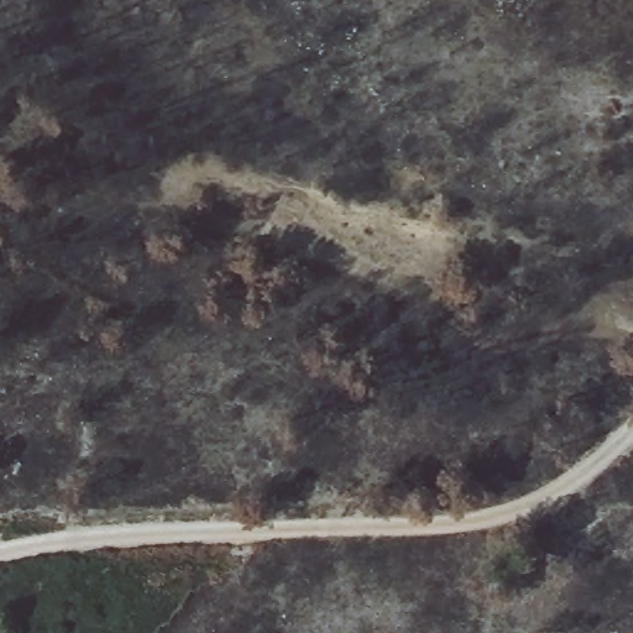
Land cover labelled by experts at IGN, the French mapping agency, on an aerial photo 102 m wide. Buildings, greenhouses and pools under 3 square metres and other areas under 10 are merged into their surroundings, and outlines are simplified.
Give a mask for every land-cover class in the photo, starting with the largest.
<instances>
[{"label":"bare soil","instance_id":"1","mask_svg":"<svg viewBox=\"0 0 633 633\"><path fill-rule=\"evenodd\" d=\"M12 91L17 99L27 96L30 104L47 111V116L37 121L45 131L42 136H35L30 143L15 151L10 146H0V151L2 161H7L10 166L12 183L25 195L22 210H15L0 200V522L25 517L27 512L30 519H57V532L77 527L143 522H237V504H245V499L250 497H267L277 517H376L371 509V487L378 482H383L386 495L391 492L393 497L403 499V509L396 517H408L413 522L425 524L430 519L423 514L420 502L425 497L440 495V472L460 480V492L475 509L495 507L539 490L542 485L564 475L586 452L598 448L616 428L633 425V376H618L613 371L606 339H613L618 331L633 334V0H0V96ZM242 193H277L279 198L272 215L265 220V235H260L252 245V267L279 270L282 284L274 287L272 297L282 309L270 324H260L255 329L245 324L218 329L210 326L198 314V309H193L195 294L185 287V282H181L176 274L158 272L151 267L146 242L151 237H181L178 252L183 257H203L218 247L225 250L227 240L235 237V227L242 223V200L237 198ZM448 250H465L470 257H477L480 262L485 309L477 314L475 321H462L452 314L448 302H435L430 297V287L423 282L435 270H443ZM96 314H101L109 321L119 319L124 326L119 346L111 351L104 349V344L94 346L79 339V326L96 319ZM324 326H329L336 339L334 359L346 361L351 354L366 351L371 356V366H383L386 391L381 396H351L341 386H336L331 376L309 373L307 363L297 354V344L312 339ZM69 470H84L89 477L79 492L82 512L77 514L59 509L54 504L59 499L57 480L64 477ZM517 527V542L522 544L532 571H514L512 576H507L499 584V596H492L485 588H477L475 584V569L485 564L482 529L430 537L267 539L255 542L250 556H232L230 542L166 544L176 556H193L203 561L208 569L210 586L190 591L183 601V608L163 628H158V633H633V448L628 455L618 457L611 467L596 475L584 490L569 497H559L551 504H539L527 517L512 522Z\"/></svg>","mask_w":633,"mask_h":633},{"label":"coniferous trees","instance_id":"2","mask_svg":"<svg viewBox=\"0 0 633 633\"><path fill-rule=\"evenodd\" d=\"M47 116V111L30 104L27 96L17 99L12 91L0 96V146H10L15 151L30 143L35 136H42L45 131L37 121ZM0 200L15 210H22L25 195L12 183L10 166L7 161H2L0 151ZM237 198L242 200V223L235 227V237L227 240L225 250L218 247L203 257H183L178 252L181 237H151L146 242L151 267L158 272L176 274L181 282H185V287L195 294L193 309H198V314L210 326L218 329L245 324L255 329L260 324H270L282 309L272 297L274 287L282 284L279 270L252 267V245L260 235H265V220L272 215L279 198L277 193H242ZM423 282L430 287V297L435 302H448L452 314L462 321H475L477 314L485 309L480 262L477 257H470L465 250H448L443 270H435ZM124 326L119 319L109 321L101 314H96V319L79 326V339L94 346L104 344V349L111 351L119 346ZM297 354L307 363L309 373L331 376L336 386H341L351 396H381L386 391L383 366H371V356L366 351L351 354L346 361L334 359L336 339L329 326H324L312 339L297 344ZM613 371L618 376H633V334L618 331L613 339H606ZM89 477L84 470H69L64 477L57 480L59 499L54 504L59 509L77 514L82 512L79 492ZM440 495L425 497L420 502L423 514L430 519L435 514H450L460 519L462 514L475 509L460 492V480L440 472ZM371 509L376 517H396L403 509V499L393 497L391 492L386 495L383 482H378L371 487ZM237 522L245 524V529H252L277 517L267 497H250L245 499V504H237Z\"/></svg>","mask_w":633,"mask_h":633},{"label":"herbaceous vegetation","instance_id":"3","mask_svg":"<svg viewBox=\"0 0 633 633\"><path fill-rule=\"evenodd\" d=\"M57 532V519H30L27 512L25 517L0 522V542ZM485 564L475 569V584L477 588H485L492 596H499V584L507 576H512L514 571H532L522 544L517 542V527L512 522L482 529ZM210 586L208 569L203 561L193 556H176L166 544L99 546L89 551H47L12 561H0V633H158V628H163L183 608V601L190 591Z\"/></svg>","mask_w":633,"mask_h":633},{"label":"pervious surface","instance_id":"4","mask_svg":"<svg viewBox=\"0 0 633 633\"><path fill-rule=\"evenodd\" d=\"M633 448V425L616 428L598 448L586 452L564 475L542 485L539 490L495 507L475 509L462 514L460 519L450 514H435L425 524L413 522L408 517H277L252 529H245V524L237 522H143L77 527L57 532L0 542V561H12L47 551H89L99 546L166 544L230 542L232 556H250L255 542L267 539L430 537L482 529L512 522L527 517L539 504H551L559 497H569L584 490L596 475L611 467L618 457L628 455Z\"/></svg>","mask_w":633,"mask_h":633}]
</instances>
